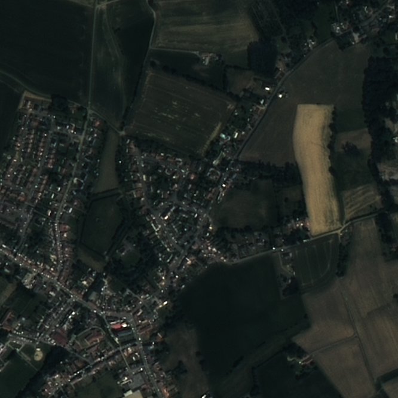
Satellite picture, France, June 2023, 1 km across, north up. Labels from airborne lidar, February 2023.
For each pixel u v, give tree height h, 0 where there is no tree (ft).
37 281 0
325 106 0
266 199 0
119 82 0
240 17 0
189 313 0
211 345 0
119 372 0
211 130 0
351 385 0
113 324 0
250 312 0
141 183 0
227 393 0
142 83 0
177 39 0
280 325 0
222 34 0
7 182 0
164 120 0
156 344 31
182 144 0
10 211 0
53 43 0
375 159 59
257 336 0
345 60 0
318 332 0
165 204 0
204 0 0
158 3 0
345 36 23
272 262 0
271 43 115
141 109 0
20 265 0
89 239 0
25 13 0
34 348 0
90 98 0
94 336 0
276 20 0
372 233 0
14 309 0
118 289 0
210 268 0
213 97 0
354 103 0
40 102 0
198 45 0
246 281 0
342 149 0
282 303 0
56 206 0
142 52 0
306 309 0
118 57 0
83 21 0
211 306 0
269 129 0
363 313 0
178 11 0
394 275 0
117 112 0
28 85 0
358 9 31
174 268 0
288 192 0
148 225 0
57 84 0
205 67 0
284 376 0
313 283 0
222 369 0
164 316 0
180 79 0
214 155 47
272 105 0
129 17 0
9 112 0
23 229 0
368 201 0
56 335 0
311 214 0
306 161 0
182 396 0
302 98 0
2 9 0
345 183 0
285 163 0
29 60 0
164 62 0
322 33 0
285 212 0
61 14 0
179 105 0
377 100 72
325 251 0
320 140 0
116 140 0
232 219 0
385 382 0
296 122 0
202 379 0
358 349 0
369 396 0
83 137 0
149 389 0
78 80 0
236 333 0
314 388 0
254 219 0
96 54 0
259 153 0
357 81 0
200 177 24
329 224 0
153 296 0
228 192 0
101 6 0
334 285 0
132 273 45
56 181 19
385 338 0
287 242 46
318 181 0
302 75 0
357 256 0
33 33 0
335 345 0
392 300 0
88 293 24
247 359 0
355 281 0
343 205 0
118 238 23
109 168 0
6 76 0
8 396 0
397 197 0
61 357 59
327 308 0
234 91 0
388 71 55
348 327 0
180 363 31
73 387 0
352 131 0
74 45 0
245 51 0
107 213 0
